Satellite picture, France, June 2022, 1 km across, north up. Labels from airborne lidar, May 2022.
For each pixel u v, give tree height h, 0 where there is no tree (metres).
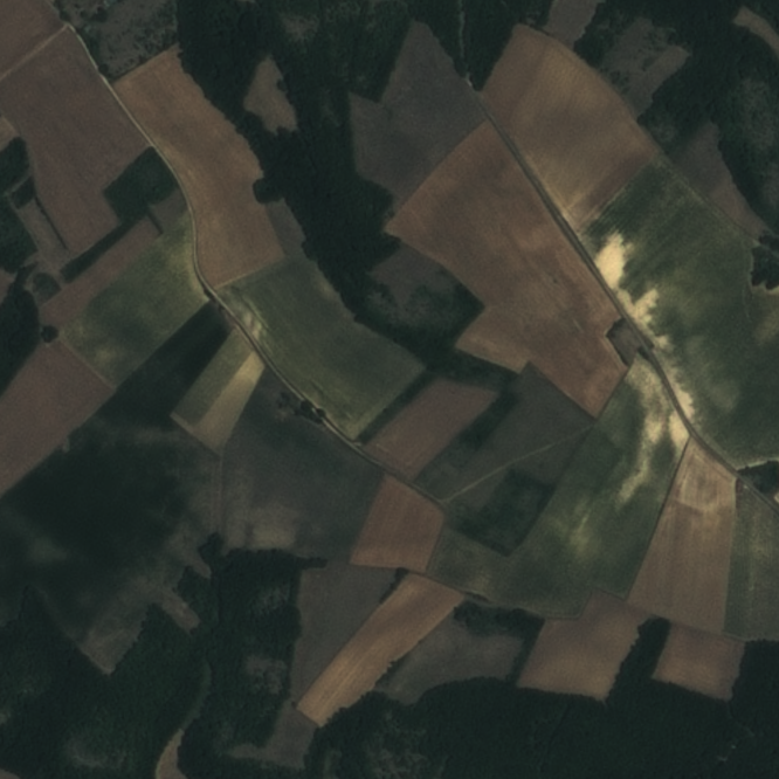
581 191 0
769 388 0
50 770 14
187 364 0
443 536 0
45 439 0
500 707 18
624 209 0
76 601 0
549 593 0
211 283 0
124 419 0
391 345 0
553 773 12
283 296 0
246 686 9
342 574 0
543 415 0
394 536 0
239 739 9
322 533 0
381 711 13
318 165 14
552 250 0
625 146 0
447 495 0
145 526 0
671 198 0
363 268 15
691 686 0
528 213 0
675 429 0
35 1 0
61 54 0
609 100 0
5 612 0
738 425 0
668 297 0
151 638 10
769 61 14
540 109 0
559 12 0
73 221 0
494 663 0
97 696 10
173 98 0
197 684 21
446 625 0
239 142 0
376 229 10
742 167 16
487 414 0
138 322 0
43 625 15
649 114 9
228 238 0
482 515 0
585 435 0
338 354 0
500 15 12
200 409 0
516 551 0
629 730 15
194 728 15
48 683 8
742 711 15
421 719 10
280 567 19
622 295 0
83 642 0
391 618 0
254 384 0
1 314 14
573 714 14
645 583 0
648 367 0
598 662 0
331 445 0
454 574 0
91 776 12
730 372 0
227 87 19
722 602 0
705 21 22
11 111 0
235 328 0
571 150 0
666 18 12
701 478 0
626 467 0
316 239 15
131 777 12
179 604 0
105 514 0
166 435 0
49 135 0
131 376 0
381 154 0
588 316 0
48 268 0
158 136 0
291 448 0
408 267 0
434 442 0
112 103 0
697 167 0
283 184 20
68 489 0
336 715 8
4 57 0
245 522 0
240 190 0
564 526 0
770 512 0
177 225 0
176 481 0
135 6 0
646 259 0
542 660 0
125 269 0
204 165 0
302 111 16
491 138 0
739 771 17
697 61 10
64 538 0
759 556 0
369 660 0
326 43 12
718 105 16
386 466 0
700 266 0
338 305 0
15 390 0
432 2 12
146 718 11
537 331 0
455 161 0
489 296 0
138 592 0
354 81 10
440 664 0
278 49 13
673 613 0
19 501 0
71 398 0
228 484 0
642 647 10
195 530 0
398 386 0
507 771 16
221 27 14
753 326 0
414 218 0
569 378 0
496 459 0
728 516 0
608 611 0
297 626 16
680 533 0
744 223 0
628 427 0
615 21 10
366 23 9
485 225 0
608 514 0
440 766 7
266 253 0
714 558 0
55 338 9
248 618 13
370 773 8
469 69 9
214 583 13
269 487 0
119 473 0
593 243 0
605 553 0
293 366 0
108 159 0
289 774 8
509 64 0
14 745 15
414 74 0
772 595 0
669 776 17
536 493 0
